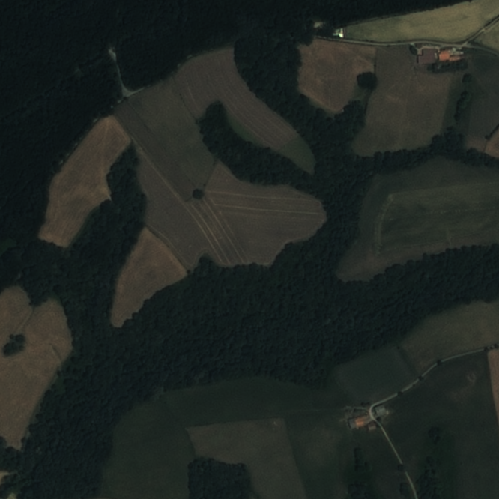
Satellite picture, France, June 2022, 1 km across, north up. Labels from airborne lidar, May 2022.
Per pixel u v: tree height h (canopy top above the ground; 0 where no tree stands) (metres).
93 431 14
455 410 0
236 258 0
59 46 19
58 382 0
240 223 0
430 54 0
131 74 19
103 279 21
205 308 19
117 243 22
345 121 20
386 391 0
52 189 0
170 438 0
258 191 0
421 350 0
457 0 17
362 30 0
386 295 19
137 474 0
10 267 28
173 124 0
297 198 0
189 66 0
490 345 0
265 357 18
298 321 20
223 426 0
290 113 14
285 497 0
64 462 20
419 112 0
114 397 21
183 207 0
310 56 0
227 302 10
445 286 19
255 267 17
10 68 19
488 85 0
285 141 0
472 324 0
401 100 0
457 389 0
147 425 0
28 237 20
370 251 0
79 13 23
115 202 17
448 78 0
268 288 7
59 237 0
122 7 18
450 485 0
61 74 19
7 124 8
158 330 19
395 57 0
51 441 21
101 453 24
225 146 9
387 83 0
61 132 11
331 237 17
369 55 0
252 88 13
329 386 0
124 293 0
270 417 0
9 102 18
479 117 0
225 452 0
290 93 23
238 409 0
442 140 24
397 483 0
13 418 0
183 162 0
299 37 18
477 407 0
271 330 18
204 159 0
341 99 0
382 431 0
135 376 18
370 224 0
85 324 17
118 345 14
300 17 24
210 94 0
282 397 0
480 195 0
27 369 0
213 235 0
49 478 23
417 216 0
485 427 0
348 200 19
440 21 0
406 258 0
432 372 0
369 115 0
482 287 19
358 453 17
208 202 0
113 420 18
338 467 0
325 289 12
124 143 0
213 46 20
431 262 18
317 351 8
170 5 16
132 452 0
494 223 0
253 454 0
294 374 19
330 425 0
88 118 11
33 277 24
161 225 0
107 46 20
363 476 0
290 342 22
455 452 0
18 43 17
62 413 26
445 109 0
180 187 0
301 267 14
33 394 0
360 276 0
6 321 0
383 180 0
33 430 16
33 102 21
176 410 0
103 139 0
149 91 0
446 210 0
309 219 0
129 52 16
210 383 8
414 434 0
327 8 10
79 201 0
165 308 13
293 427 0
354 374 0
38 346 0
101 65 10
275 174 21
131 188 18
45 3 17
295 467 0
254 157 16
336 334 15
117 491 0
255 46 27
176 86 0
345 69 0
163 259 0
